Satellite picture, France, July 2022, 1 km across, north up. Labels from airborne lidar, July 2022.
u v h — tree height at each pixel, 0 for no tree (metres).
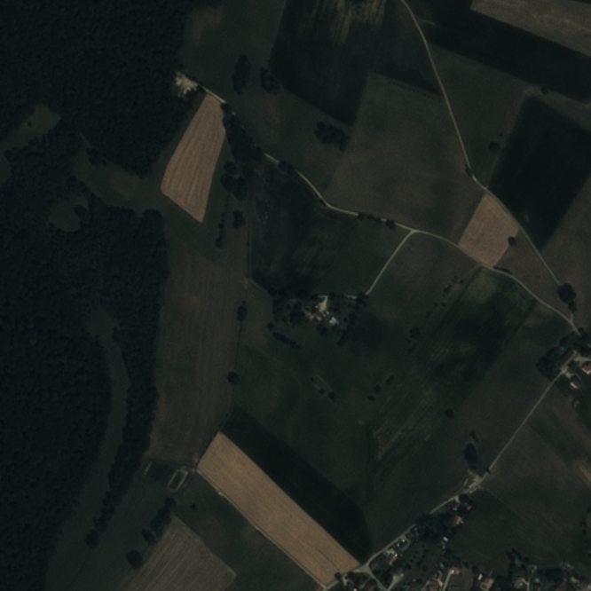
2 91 26
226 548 0
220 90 0
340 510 0
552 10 0
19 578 24
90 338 17
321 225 0
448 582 0
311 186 0
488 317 0
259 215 0
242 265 0
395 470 0
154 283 21
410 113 0
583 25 0
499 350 0
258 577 0
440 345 0
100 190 0
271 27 0
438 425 0
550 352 8
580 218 0
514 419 0
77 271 21
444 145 0
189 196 0
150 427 17
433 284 0
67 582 0
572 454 0
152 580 0
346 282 0
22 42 22
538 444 0
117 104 23
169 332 0
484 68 0
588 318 0
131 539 0
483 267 0
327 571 0
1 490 28
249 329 0
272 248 0
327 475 0
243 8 0
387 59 0
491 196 0
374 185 0
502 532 0
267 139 0
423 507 0
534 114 0
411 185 0
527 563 10
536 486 0
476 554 0
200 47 0
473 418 0
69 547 0
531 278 0
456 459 0
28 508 27
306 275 0
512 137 0
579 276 0
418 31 0
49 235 24
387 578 11
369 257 0
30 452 28
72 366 30
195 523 0
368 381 0
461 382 0
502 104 0
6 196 24
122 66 20
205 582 0
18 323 29
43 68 25
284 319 14
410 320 0
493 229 0
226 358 0
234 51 0
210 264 0
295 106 0
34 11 24
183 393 0
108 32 24
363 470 0
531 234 0
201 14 0
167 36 22
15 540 28
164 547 0
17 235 27
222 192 0
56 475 24
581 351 10
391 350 0
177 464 0
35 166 19
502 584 6
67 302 30
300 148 0
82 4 23
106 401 26
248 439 0
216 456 0
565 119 0
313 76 0
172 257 0
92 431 26
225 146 0
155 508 0
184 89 0
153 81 26
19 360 31
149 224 25
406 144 0
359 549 0
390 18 0
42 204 29
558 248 0
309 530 0
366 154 0
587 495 0
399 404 0
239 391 0
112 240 22
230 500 0
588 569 0
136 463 22
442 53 0
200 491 0
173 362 0
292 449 0
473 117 0
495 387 0
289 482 0
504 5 0
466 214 0
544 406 0
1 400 28
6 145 0
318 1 0
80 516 0
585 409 0
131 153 20
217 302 0
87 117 27
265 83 16
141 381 22
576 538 0
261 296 0
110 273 20
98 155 18
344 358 0
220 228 8
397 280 0
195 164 0
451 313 0
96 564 0
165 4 23
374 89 0
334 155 0
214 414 0
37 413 31
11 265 29
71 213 0
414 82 0
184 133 0
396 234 0
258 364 0
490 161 0
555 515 0
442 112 0
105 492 0
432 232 0
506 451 0
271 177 0
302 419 0
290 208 0
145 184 0
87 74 22
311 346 0
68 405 27
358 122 0
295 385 0
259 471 0
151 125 20
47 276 27
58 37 26
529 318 0
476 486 0
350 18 0
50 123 0
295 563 0
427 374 0
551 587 0
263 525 0
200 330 0
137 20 21
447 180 0
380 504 0
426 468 0
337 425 0
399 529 0
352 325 8
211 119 0
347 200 0
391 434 0
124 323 21
